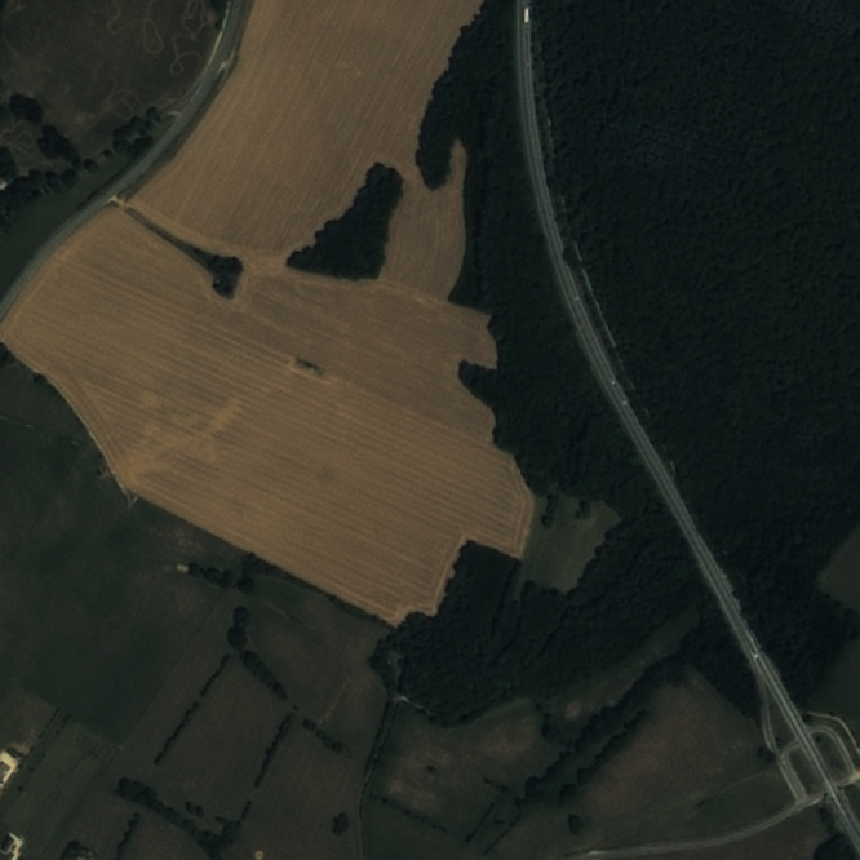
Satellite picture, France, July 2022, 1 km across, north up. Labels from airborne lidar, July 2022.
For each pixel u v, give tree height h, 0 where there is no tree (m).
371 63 0
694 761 0
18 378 0
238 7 0
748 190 17
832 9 14
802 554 25
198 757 0
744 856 0
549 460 23
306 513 0
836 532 19
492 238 25
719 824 0
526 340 22
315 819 0
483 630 11
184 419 0
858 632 13
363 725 0
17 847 0
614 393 0
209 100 0
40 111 11
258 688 0
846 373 15
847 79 17
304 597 0
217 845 7
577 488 17
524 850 0
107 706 0
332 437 0
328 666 0
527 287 21
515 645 19
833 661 16
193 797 0
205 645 0
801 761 0
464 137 9
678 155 14
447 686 19
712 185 11
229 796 0
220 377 0
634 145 12
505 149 22
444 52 0
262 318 0
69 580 0
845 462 22
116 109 0
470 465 0
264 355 0
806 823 0
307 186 0
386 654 11
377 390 0
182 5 0
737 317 16
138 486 0
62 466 0
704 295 16
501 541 0
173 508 0
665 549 19
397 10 0
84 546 0
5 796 0
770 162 18
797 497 22
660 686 15
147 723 0
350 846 0
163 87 0
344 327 0
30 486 0
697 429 20
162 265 0
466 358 0
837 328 16
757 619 13
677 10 17
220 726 0
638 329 16
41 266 0
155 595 0
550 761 0
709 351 15
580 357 11
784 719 0
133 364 0
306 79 0
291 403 0
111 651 0
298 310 0
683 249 18
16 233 0
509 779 0
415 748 0
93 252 0
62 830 0
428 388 0
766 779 0
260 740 0
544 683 18
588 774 12
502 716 0
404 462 0
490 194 24
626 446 16
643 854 0
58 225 0
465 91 15
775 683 0
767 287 12
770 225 16
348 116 0
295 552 0
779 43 19
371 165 0
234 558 0
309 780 0
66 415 0
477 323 0
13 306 0
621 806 0
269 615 0
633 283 21
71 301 0
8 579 0
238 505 0
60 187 19
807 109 13
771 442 23
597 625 21
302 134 0
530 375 21
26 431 0
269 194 0
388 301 0
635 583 17
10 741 0
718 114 16
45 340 0
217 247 0
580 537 0
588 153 21
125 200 0
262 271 0
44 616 0
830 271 16
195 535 0
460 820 0
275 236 0
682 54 16
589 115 16
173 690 0
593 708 0
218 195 0
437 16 0
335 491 0
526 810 18
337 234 13
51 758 0
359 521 0
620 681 0
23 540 0
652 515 21
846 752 0
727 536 27
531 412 22
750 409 19
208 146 0
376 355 0
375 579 0
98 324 0
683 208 14
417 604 0
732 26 16
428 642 14
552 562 0
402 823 0
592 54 19
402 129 0
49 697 0
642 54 17
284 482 0
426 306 0
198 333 0
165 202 0
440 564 0
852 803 0
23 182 16
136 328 0
